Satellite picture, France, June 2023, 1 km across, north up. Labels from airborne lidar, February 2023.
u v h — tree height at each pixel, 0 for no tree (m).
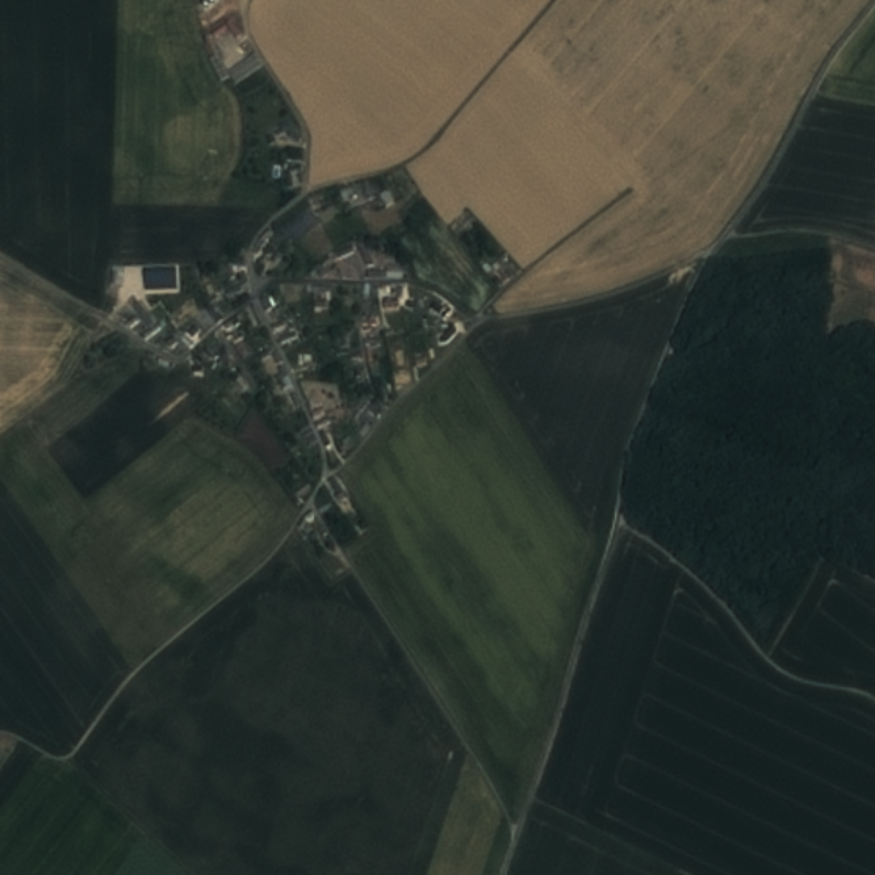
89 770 0
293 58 0
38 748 0
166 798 0
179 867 0
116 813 0
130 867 0
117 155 0
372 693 0
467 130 0
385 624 0
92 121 0
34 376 0
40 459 0
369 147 0
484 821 0
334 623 0
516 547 0
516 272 0
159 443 0
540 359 0
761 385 24
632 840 0
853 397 23
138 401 0
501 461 0
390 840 0
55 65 0
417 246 0
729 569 18
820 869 0
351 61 0
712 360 22
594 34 0
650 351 0
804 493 21
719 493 20
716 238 0
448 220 0
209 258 0
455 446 0
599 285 0
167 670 0
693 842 0
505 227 0
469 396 0
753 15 0
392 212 0
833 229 0
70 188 0
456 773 0
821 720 0
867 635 0
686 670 0
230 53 0
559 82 0
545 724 0
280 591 0
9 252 0
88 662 0
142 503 0
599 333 0
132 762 0
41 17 0
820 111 0
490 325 0
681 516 20
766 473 24
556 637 0
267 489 0
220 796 0
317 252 0
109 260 0
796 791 0
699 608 0
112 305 0
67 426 0
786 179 0
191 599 0
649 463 13
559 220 0
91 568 0
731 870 0
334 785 0
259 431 0
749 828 0
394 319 0
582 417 0
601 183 0
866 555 23
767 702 0
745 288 21
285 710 0
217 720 0
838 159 0
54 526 0
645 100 0
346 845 0
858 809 0
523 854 0
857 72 0
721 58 0
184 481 0
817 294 19
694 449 21
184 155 0
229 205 0
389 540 0
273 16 0
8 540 0
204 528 0
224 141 0
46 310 0
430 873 0
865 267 0
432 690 0
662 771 0
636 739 0
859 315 0
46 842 0
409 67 0
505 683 0
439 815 0
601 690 0
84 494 0
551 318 0
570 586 0
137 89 0
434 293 0
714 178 0
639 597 0
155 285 0
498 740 0
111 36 0
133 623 0
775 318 23
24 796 0
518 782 0
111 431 0
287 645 0
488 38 0
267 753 0
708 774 0
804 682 0
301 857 0
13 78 0
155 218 0
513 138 0
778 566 21
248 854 0
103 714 0
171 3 0
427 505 0
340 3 0
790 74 0
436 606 0
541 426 0
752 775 0
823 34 0
